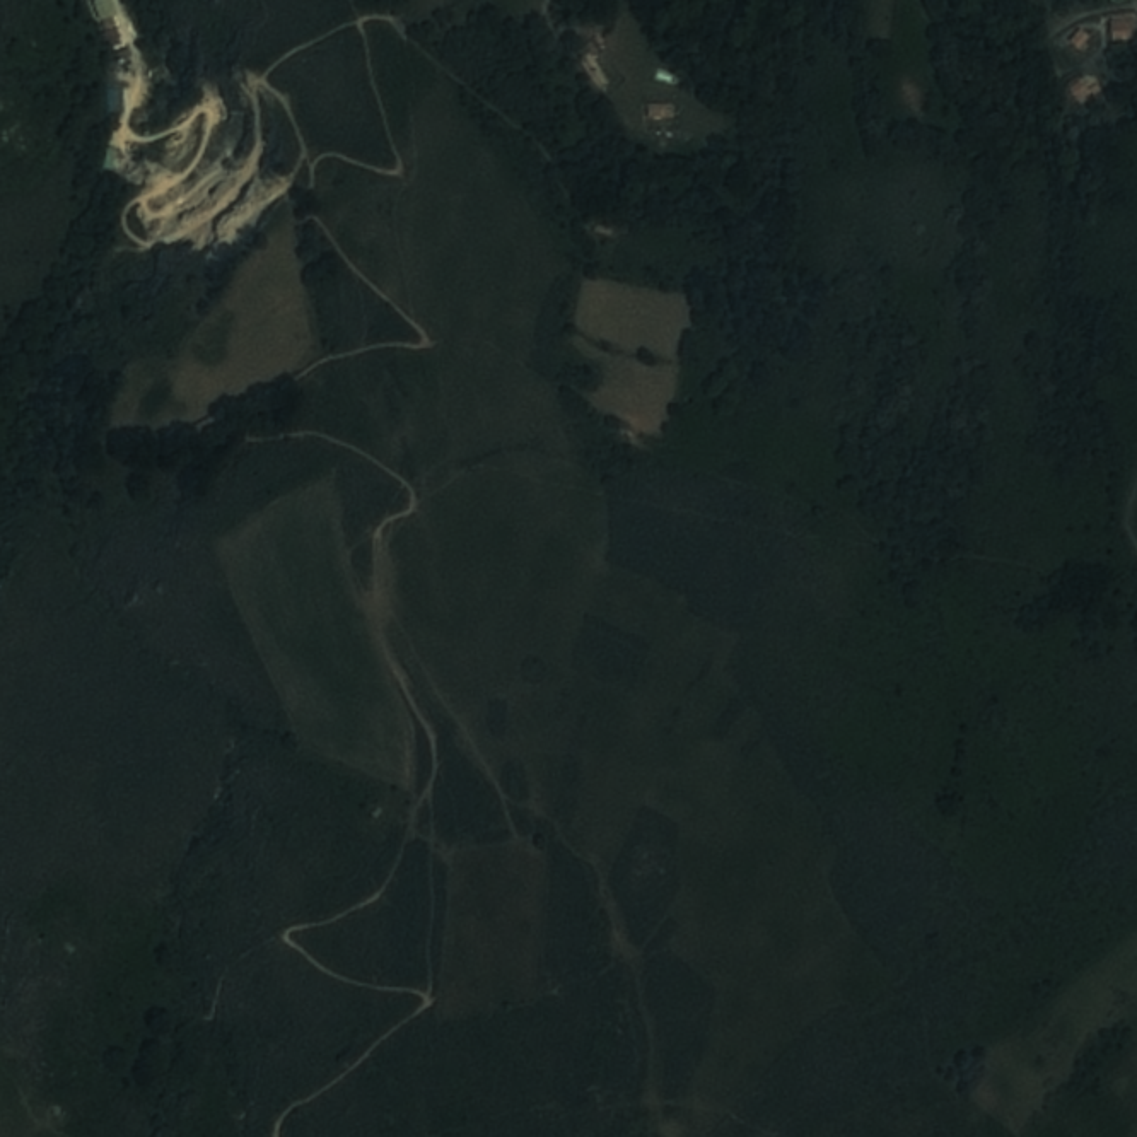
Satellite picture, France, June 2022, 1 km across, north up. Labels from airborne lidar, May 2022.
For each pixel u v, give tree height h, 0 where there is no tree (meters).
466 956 0
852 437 15
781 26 12
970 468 7
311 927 0
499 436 0
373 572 0
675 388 0
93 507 14
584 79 12
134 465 25
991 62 21
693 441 0
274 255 0
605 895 0
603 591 0
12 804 0
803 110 6
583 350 0
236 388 0
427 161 0
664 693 0
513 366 0
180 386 0
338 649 0
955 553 8
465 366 0
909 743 0
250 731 8
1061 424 9
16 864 0
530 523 0
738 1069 0
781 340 23
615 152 12
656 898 0
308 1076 0
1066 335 9
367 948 0
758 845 0
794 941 0
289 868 0
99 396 22
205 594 0
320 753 0
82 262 13
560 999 0
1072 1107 0
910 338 12
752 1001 0
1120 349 7
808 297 23
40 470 16
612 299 0
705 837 0
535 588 0
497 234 0
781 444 0
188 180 0
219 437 17
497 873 0
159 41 13
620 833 0
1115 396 0
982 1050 12
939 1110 0
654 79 0
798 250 16
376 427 0
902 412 12
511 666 0
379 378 0
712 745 0
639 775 0
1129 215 0
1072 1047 0
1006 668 0
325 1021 0
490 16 15
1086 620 6
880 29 0
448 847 0
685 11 28
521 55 7
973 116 21
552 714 0
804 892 0
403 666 0
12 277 0
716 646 0
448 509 0
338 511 0
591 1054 0
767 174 8
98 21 8
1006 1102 0
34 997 0
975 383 10
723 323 8
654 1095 0
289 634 0
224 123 0
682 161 15
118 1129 0
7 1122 0
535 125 8
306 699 0
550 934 0
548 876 0
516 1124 0
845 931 0
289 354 0
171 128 0
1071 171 27
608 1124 0
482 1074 0
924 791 0
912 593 10
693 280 8
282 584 0
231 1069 6
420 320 0
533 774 0
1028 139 22
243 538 0
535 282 0
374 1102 0
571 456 0
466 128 0
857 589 0
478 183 0
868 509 9
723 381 16
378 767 0
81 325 13
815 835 0
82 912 0
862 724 0
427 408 0
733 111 13
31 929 0
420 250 0
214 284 16
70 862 0
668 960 0
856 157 0
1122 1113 0
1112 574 10
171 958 23
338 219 0
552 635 0
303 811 0
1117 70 18
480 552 0
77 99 10
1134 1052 0
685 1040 0
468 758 0
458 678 0
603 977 0
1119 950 0
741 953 0
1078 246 6
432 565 0
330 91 0
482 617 0
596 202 18
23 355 23
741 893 0
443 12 10
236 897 0
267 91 0
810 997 0
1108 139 11
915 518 6
